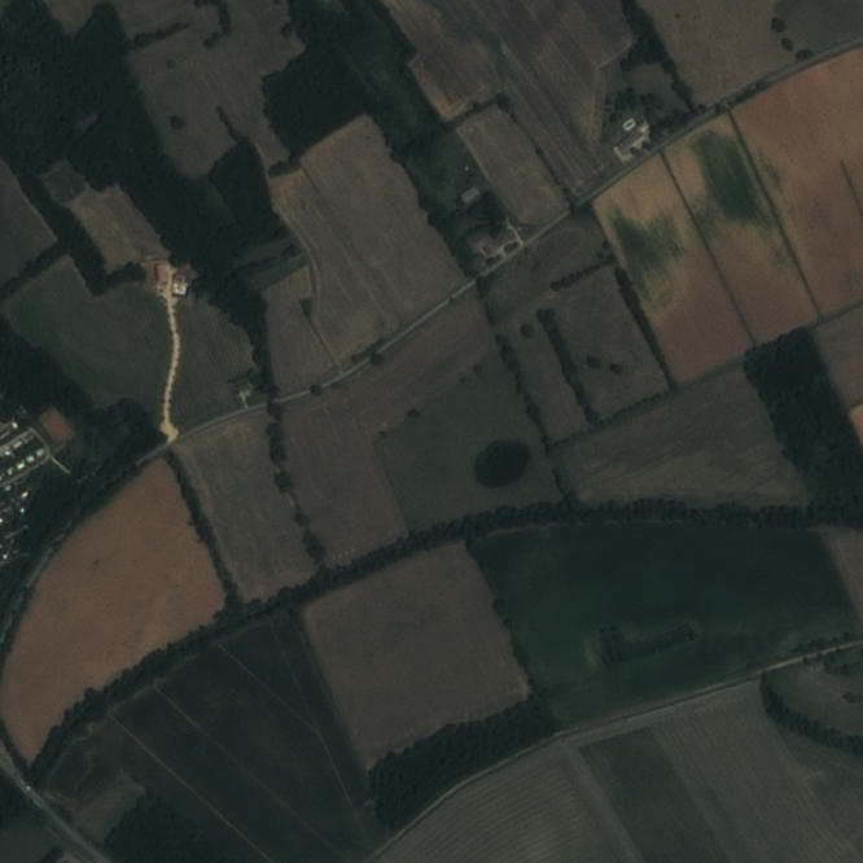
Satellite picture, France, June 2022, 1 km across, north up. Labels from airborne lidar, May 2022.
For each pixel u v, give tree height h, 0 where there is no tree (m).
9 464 9
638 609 0
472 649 0
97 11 13
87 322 0
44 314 0
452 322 0
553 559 0
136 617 0
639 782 0
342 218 0
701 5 0
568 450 0
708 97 0
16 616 15
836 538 0
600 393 0
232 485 0
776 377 12
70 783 0
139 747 0
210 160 0
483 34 0
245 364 0
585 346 0
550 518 13
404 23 0
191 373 0
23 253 0
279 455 22
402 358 0
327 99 14
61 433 0
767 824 0
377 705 0
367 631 0
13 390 19
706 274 0
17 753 10
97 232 0
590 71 0
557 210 0
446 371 0
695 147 0
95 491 23
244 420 0
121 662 0
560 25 0
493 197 12
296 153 14
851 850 0
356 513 0
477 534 14
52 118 16
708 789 0
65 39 17
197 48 0
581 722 0
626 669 0
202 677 0
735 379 0
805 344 14
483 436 0
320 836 0
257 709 0
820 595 0
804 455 10
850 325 0
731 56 0
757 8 0
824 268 0
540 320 10
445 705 0
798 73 0
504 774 0
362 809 0
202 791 0
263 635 0
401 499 0
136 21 0
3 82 14
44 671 0
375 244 0
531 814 0
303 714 0
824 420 13
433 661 0
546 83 0
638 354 0
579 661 0
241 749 0
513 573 0
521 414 0
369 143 0
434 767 22
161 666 19
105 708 15
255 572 0
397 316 0
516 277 0
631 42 0
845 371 0
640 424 0
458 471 0
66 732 16
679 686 0
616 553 0
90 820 0
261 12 0
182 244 17
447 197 0
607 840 0
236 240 15
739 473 0
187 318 0
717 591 0
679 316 0
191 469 0
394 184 0
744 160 0
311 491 0
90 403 12
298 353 0
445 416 0
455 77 0
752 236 0
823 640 14
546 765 0
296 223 0
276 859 0
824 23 0
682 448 0
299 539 0
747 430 0
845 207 0
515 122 7
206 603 0
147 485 0
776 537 0
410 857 0
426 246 0
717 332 0
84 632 0
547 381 0
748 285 0
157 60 0
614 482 0
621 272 14
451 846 0
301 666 0
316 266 0
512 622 10
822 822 0
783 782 0
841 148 0
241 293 19
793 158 0
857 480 8
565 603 0
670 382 10
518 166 0
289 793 0
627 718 0
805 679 0
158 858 18
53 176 0
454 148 0
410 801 21
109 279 11
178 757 0
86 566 0
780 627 0
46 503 12
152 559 0
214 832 0
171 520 0
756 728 0
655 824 0
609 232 0
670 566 0
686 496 0
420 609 0
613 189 0
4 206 0
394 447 0
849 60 0
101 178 18
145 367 0
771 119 0
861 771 0
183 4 0
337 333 0
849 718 0
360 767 0
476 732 20
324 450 0
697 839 0
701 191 0
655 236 0
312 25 16
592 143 0
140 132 20
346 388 0
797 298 0
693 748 0
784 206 0
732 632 0
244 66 0
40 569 0
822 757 0
